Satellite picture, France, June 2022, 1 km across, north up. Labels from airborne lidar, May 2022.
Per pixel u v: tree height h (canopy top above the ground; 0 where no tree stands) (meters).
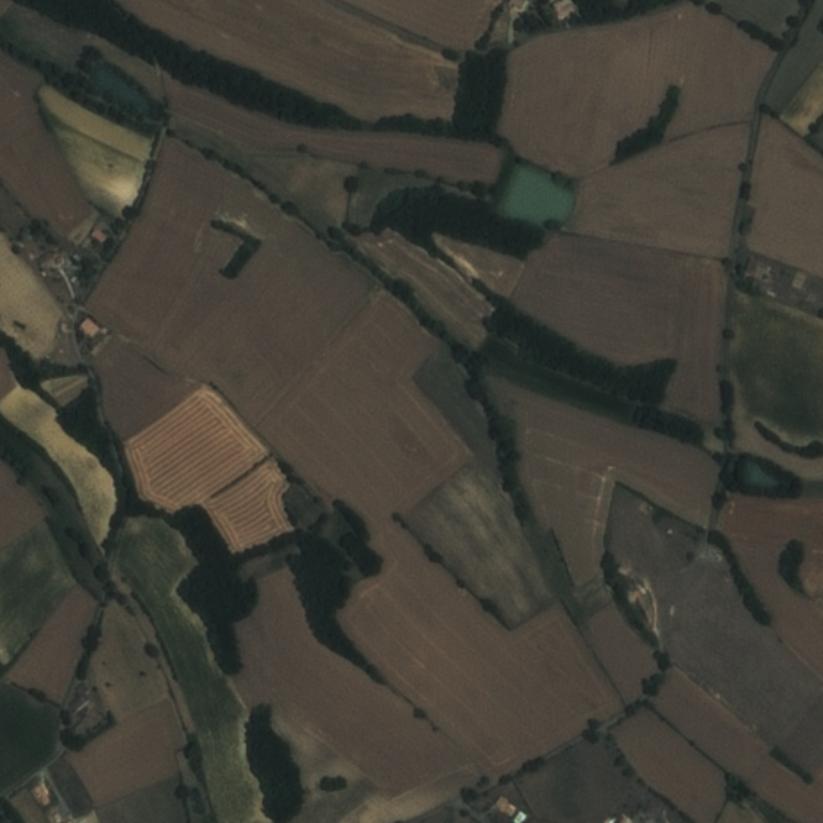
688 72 0
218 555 19
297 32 0
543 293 0
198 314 0
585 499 0
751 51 0
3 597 0
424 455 0
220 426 0
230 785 0
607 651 0
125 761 0
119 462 7
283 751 13
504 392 0
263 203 0
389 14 0
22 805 0
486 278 0
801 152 0
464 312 0
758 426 10
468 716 0
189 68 18
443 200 15
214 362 0
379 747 0
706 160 0
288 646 0
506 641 0
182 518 14
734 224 0
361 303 0
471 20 0
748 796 10
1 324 0
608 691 0
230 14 0
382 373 0
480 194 18
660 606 0
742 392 0
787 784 0
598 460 0
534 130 0
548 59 0
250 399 0
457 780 0
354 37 0
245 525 0
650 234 0
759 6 0
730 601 0
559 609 0
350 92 0
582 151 0
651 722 0
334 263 0
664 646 0
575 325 0
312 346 0
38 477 0
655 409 12
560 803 0
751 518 0
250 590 9
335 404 0
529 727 0
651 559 0
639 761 0
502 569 0
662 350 0
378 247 0
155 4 0
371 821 0
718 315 0
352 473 0
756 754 0
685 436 32
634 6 14
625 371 13
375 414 0
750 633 0
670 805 6
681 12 0
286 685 0
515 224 14
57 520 0
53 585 0
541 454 0
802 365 0
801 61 0
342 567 10
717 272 0
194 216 0
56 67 24
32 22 0
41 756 0
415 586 0
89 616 0
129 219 13
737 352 0
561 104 0
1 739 0
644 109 0
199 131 0
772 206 0
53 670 0
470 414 0
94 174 0
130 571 0
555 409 0
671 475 0
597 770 0
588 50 0
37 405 0
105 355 0
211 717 0
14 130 0
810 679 0
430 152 0
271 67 0
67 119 0
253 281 0
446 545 0
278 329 0
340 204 0
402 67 0
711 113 0
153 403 0
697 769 0
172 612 0
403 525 10
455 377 0
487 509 0
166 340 0
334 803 0
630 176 0
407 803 0
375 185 0
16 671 0
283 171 0
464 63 9
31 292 0
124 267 0
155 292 0
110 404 0
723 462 20
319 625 16
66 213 0
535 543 0
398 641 0
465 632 0
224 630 16
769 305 0
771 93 0
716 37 0
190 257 0
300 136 0
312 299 0
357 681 0
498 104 15
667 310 0
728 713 0
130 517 15
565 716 0
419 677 0
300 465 0
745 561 0
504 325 15
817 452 16
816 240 0
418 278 0
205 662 0
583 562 0
